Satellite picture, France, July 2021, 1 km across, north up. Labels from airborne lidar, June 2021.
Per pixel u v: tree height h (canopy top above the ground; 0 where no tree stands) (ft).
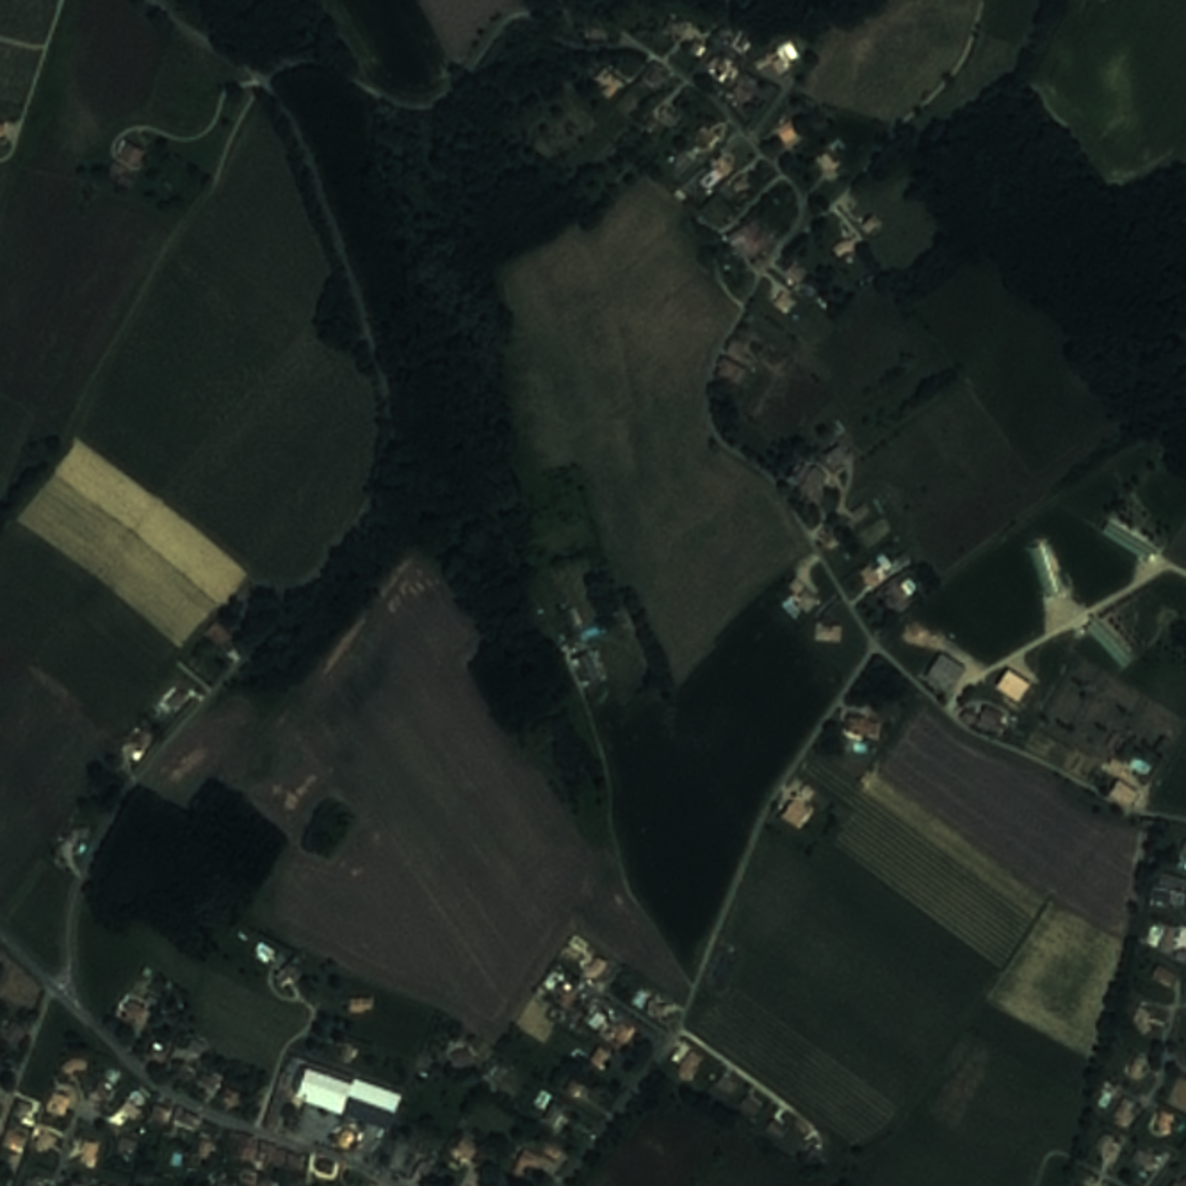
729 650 0
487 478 80
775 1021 0
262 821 52
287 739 0
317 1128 0
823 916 0
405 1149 0
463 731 0
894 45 0
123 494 0
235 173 0
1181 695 0
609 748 0
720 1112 50
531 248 32
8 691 0
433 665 0
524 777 0
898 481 0
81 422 0
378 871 0
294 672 83
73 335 0
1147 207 70
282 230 0
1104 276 68
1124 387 58
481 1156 26
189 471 0
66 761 0
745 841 0
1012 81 57
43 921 0
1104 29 0
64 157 0
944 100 0
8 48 0
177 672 0
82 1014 0
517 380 0
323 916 0
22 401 0
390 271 34
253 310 0
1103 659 0
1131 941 23
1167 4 0
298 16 71
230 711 0
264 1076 23
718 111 0
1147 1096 0
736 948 0
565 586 0
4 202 0
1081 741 0
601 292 0
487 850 0
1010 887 0
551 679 44
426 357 40
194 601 0
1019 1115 0
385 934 0
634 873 0
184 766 0
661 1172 0
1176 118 0
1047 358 0
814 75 0
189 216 0
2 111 0
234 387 0
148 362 0
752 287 0
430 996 0
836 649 0
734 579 0
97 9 0
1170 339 66
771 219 0
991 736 27
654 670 45
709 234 20
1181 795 0
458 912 0
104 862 36
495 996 0
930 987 0
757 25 68
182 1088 29
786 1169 0
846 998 0
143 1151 21
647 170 22
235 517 0
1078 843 0
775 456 38
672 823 0
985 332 0
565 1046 0
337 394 0
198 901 57
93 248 0
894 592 0
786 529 0
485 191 53
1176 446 31
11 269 0
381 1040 0
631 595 36
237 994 0
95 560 0
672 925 0
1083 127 0
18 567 0
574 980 20
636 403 0
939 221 35
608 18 67
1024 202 61
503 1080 0
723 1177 0
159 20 50
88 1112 0
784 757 0
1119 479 0
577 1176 22
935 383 31
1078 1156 23
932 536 0
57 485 0
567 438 0
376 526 65
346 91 27
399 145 29
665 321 0
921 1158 0
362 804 0
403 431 42
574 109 0
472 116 44
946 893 0
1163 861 25
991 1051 0
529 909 0
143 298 0
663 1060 0
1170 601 0
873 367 0
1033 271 59
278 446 0
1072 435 0
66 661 0
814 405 0
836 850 0
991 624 0
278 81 35
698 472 0
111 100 0
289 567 0
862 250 40
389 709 0
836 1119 0
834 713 0
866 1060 0
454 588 56
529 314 0
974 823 0
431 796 0
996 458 0
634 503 0
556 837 0
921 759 0
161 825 42
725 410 54
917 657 0
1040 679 0
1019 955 0
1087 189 70
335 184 32
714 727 0
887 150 81
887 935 0
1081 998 0
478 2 0
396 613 0
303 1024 0
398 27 0
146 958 0
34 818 0
